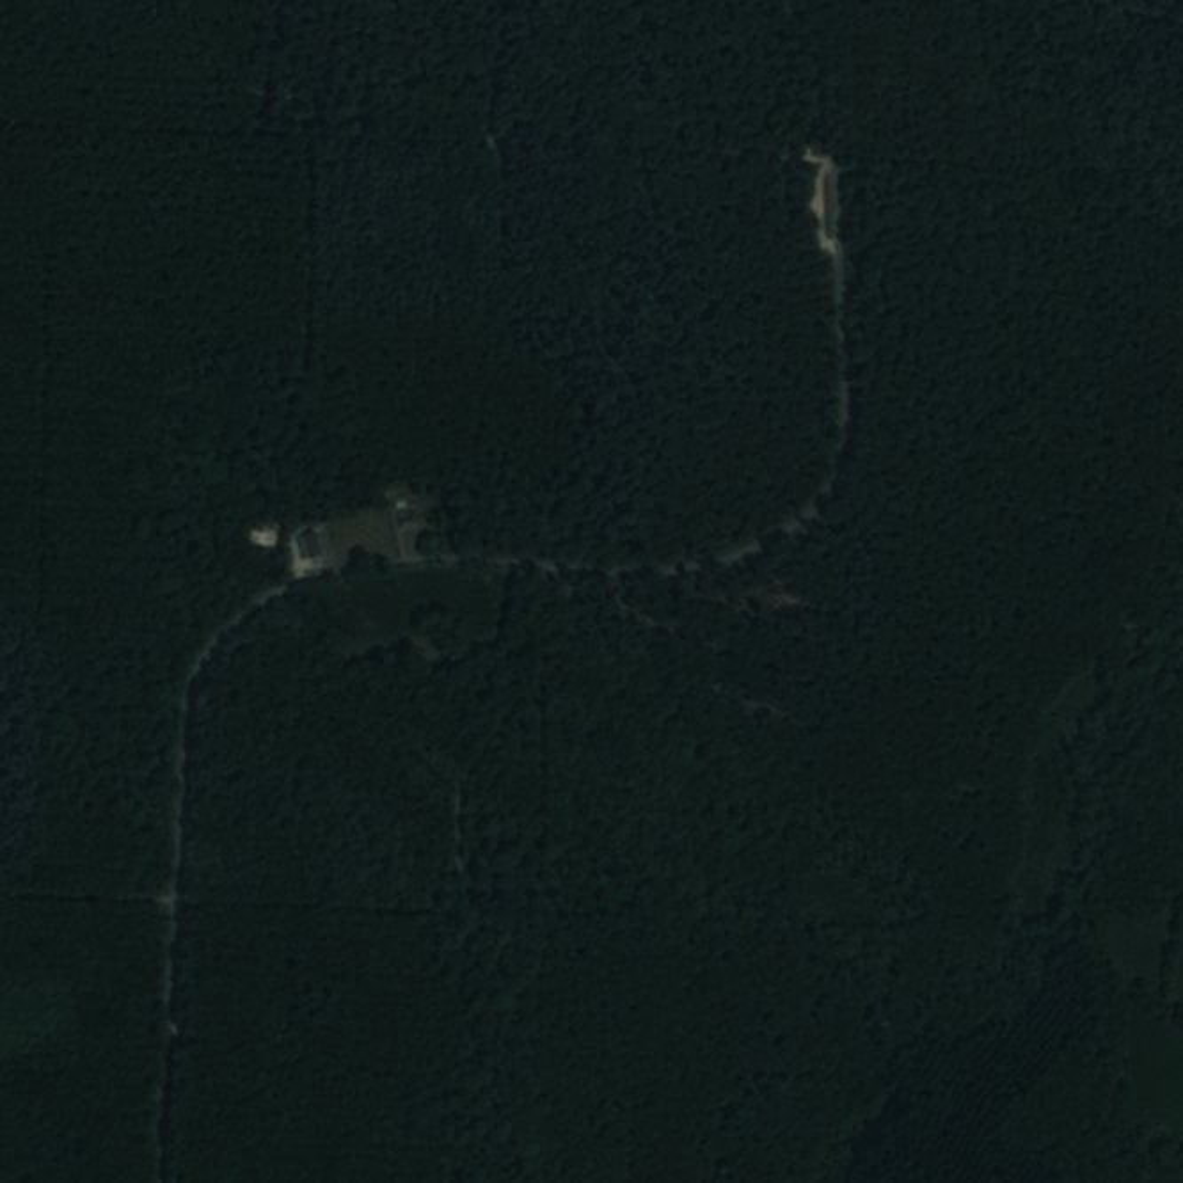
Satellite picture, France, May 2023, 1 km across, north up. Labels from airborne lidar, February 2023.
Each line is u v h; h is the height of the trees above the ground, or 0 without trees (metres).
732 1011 19
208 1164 18
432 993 16
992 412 15
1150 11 26
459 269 20
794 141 27
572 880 25
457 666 15
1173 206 28
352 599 0
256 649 14
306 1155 14
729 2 26
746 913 17
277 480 24
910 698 20
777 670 20
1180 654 18
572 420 13
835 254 0
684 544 24
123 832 22
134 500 15
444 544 10
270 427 25
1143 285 16
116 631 14
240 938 17
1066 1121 19
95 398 16
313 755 12
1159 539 19
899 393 22
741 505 23
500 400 13
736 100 22
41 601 12
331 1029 13
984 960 24
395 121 22
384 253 22
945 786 17
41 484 11
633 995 20
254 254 15
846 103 25
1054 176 18
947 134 20
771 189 25
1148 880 10
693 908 21
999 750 19
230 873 14
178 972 16
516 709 21
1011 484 17
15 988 16
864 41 20
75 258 13
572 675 14
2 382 14
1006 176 22
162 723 17
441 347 15
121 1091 18
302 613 15
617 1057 17
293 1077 14
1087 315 17
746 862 15
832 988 23
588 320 22
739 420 24
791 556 22
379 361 15
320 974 16
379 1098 16
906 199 22
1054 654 18
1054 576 19
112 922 13
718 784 16
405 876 16
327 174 22
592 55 25
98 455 15
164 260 16
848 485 24
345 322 17
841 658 19
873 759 18
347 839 18
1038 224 16
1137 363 16
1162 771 17
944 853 18
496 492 19
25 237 15
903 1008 20
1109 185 21
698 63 24
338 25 26
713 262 22
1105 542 18
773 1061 19
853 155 23
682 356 23
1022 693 19
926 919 18
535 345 25
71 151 13
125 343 14
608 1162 18
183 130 11
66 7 8
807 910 19
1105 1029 22
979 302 18
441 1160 14
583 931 21
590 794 19
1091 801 18
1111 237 23
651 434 22
